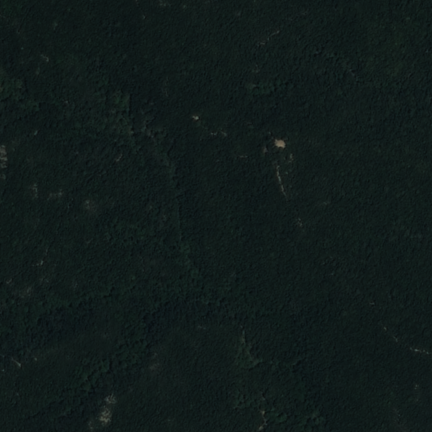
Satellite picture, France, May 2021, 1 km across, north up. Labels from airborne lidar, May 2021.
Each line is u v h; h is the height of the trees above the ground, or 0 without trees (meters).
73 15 18
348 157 10
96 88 14
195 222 9
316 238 15
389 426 11
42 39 9
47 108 19
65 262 11
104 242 12
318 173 10
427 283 12
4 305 13
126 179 9
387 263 10
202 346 6
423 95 16
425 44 10
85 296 23
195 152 11
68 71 7
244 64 12
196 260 10
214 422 9
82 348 12
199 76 11
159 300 18
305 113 16
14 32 9
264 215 10
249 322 14
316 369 11
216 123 9
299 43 14
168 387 9
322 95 17
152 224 14
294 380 19
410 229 16
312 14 10
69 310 19
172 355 11
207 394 14
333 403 12
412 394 7
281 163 13
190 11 7
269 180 9
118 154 9
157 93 11
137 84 13
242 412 16
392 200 8
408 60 10
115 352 15
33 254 12
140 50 10
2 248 17
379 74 8
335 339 12
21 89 14
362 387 12
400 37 13
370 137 12
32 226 8
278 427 15
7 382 8
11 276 11
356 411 11
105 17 13
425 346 9
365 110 15
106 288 17
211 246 6
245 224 13
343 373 7
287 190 6
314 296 13
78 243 11
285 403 12
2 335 22
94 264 18
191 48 13
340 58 19
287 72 11
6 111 16
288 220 9
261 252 10
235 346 19
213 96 15
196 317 10
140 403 7
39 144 16
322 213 10
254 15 11
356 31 12
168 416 10
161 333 12
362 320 13
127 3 11
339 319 8
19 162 12
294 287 10
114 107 18
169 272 9
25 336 13
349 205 17
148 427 10
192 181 12
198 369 13
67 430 16
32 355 11
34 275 12
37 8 14
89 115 8
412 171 9
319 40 12
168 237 13
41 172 10
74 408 15
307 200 9
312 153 8
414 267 9
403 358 7
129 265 12
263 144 17
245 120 15
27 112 9
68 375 6
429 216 15
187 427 9
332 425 14
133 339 21
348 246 14
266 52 12
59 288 20
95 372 11
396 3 16
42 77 13
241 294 9
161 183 10
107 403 6
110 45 18
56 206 7
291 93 22
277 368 12
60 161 8
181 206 13
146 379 8
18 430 20
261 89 27
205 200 11
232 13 12
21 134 10
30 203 13
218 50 7
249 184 14
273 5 10
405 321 10
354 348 7
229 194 13
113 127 13
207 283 19
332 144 10
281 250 15
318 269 11
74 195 16
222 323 14
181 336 8
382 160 10
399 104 14
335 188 10
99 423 8
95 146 8
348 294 8
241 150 8
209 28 11
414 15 14
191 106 16
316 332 11
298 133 14
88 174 9
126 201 13
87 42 16
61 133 17
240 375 13
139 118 17
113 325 7
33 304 19
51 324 20
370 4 10
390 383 11
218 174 14
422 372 7
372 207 15
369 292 10
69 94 11
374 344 12
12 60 13
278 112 20
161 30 10
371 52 11
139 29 8
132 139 21
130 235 11
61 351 5
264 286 14
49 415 20
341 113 5
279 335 12
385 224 15
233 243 17
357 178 14
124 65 15
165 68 9
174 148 18
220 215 15
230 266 9
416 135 12
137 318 15
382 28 13
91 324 11
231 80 14
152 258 9
